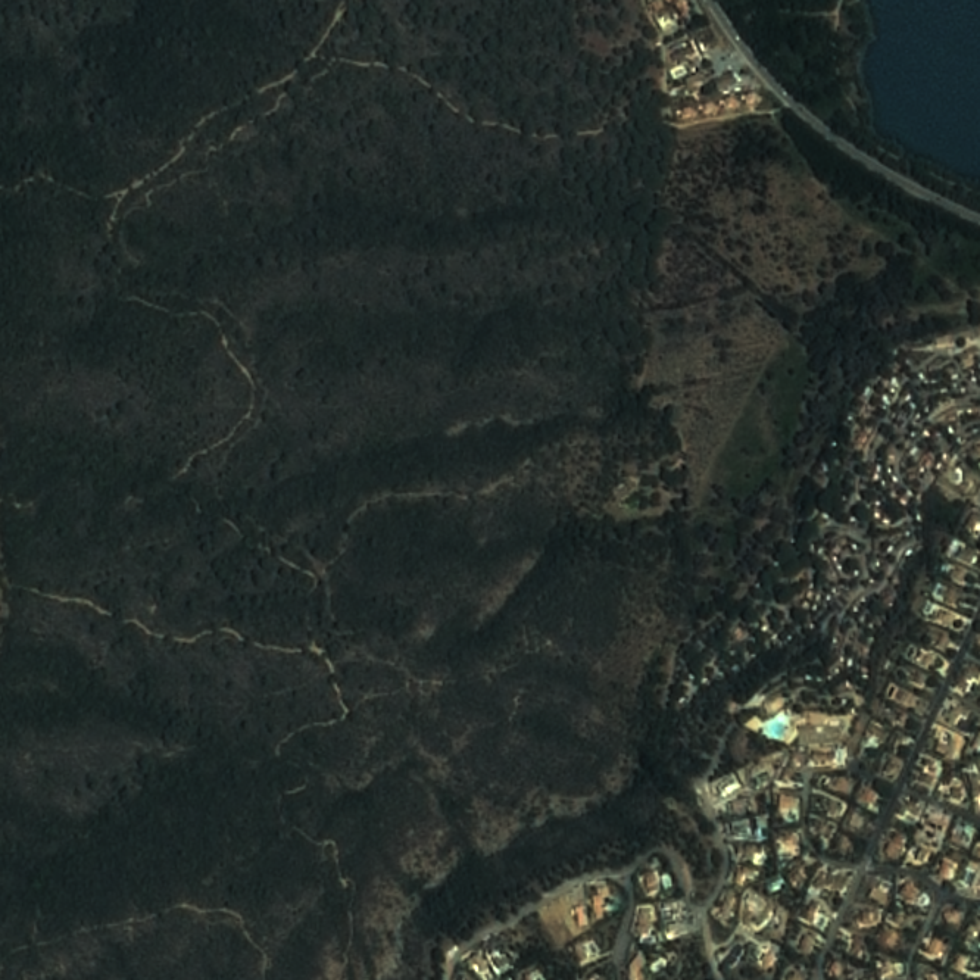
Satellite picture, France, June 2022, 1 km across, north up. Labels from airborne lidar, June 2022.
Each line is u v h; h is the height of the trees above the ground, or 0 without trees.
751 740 7
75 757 0
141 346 6
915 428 9
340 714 8
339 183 5
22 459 6
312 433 8
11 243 9
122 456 8
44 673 7
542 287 8
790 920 7
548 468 6
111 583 9
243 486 7
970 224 12
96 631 10
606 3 11
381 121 6
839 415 6
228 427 6
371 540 9
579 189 12
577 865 9
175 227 7
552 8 7
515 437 7
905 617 10
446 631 6
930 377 8
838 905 7
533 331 6
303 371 11
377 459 7
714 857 7
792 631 8
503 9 6
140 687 12
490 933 0
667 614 6
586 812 8
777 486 21
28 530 6
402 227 11
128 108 5
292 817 6
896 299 15
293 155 11
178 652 7
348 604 8
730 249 7
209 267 6
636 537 11
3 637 6
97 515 7
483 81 7
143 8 10
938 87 0
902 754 10
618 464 7
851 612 7
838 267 7
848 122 11
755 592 14
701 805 0
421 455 7
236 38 8
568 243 6
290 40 5
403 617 7
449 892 11
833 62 7
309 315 6
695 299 7
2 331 8
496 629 6
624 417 11
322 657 9
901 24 0
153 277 9
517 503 6
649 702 10
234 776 7
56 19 10
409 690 0
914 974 6
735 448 0
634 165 12
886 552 6
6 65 8
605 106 7
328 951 0
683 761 7
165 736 10
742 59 0
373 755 7
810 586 13
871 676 7
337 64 5
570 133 7
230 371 6
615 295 11
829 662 9
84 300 14
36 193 7
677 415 16
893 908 6
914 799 7
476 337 9
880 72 0
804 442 12
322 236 9
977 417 8
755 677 8
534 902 7
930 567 7
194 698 9
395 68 9
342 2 7
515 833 10
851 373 16
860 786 6
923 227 13
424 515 6
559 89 8
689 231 9
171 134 8
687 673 10
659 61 8
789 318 11
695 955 6
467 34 12
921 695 7
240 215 6
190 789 6
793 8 9
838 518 12
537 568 7
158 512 6
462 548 6
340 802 7
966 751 6
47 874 6
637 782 6
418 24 8
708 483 0
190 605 11
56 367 9
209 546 12
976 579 7
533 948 6
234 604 11
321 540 7
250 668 0
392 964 0
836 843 8
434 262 7
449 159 5
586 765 5
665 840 6
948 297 8
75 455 7
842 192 11
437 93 7
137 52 11
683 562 10
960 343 10
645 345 9
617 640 6
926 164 8
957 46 0
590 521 11
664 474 11
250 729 12
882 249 10
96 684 11
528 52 8
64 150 9
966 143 0
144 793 7
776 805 6
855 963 6
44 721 8
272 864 6
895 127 0
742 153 10
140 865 5
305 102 6
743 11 13
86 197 7
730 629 8
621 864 9
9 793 6
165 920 7
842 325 13
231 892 8
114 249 13
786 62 5
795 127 10
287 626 9
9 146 5
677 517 15
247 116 6
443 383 7
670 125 9
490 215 8
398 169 7
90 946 0
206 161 6
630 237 9
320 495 8
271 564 10
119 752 0
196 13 7
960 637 8
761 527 0
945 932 10
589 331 7
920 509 6
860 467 11
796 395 0
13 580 6
